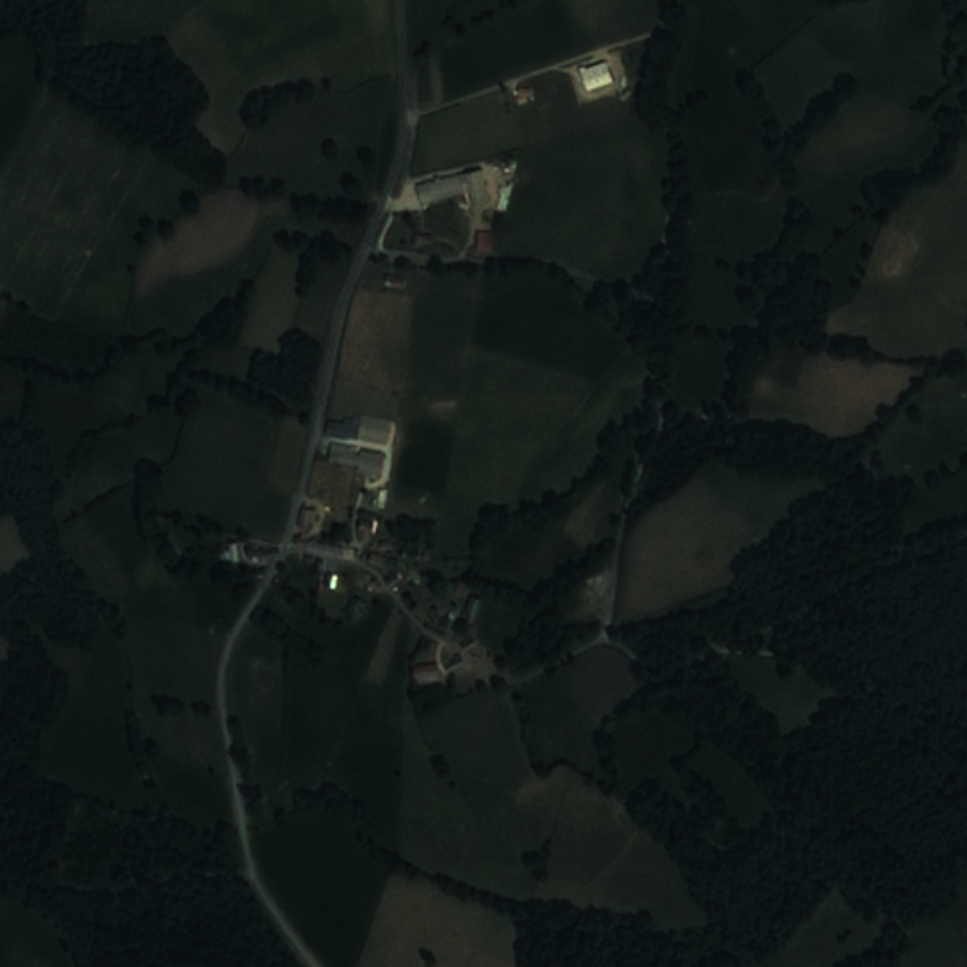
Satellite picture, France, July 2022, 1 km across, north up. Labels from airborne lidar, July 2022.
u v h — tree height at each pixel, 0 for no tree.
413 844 0
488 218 0
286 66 0
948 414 0
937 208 0
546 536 0
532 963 24
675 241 26
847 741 11
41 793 30
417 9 0
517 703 14
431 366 0
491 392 0
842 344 22
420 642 6
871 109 0
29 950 0
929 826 9
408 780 0
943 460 0
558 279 17
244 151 0
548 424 0
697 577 0
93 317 0
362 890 0
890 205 19
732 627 12
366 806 14
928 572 27
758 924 24
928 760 29
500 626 0
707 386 0
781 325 28
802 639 22
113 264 0
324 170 0
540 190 0
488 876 0
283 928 0
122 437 0
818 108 21
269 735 0
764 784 19
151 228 19
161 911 24
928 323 0
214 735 0
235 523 0
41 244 0
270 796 0
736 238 0
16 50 0
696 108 16
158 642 0
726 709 24
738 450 28
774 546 19
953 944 0
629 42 0
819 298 21
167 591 0
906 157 0
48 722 24
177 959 24
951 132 18
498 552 0
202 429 0
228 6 0
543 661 15
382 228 0
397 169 0
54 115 0
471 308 0
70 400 0
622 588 0
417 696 17
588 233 0
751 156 0
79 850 7
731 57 0
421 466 0
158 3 0
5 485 23
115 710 0
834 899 0
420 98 0
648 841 0
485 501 0
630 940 21
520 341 0
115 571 0
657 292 23
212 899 22
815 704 0
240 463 0
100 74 14
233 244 0
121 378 0
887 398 0
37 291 0
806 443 29
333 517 0
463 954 0
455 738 0
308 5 0
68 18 13
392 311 0
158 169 0
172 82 21
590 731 0
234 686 0
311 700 0
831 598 13
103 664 0
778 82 0
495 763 0
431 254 0
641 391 0
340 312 0
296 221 0
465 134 0
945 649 26
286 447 0
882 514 15
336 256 17
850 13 0
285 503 0
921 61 0
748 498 0
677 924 0
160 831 19
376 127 0
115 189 0
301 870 0
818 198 0
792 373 0
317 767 0
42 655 22
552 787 0
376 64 0
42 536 18
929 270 0
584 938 25
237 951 23
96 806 6
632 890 0
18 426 24
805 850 30
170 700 17
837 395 0
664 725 0
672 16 18
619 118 0
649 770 0
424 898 0
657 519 0
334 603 0
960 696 28
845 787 8
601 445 17
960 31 15
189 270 0
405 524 16
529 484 0
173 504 0
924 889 28
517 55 0
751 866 30
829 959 0
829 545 22
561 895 0
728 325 0
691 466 12
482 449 0
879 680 22
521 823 0
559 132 0
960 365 20
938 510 0
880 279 0
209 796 0
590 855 0
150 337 8
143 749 17
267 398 17
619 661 0
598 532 0
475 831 0
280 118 0
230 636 0
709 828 26
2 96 0
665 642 18
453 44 0
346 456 0
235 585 17
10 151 0
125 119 12
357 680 0
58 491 19
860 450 20
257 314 0
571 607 0
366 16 0
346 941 0
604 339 0
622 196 0
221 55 0
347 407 0
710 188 0
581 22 0
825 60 0
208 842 7
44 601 20
